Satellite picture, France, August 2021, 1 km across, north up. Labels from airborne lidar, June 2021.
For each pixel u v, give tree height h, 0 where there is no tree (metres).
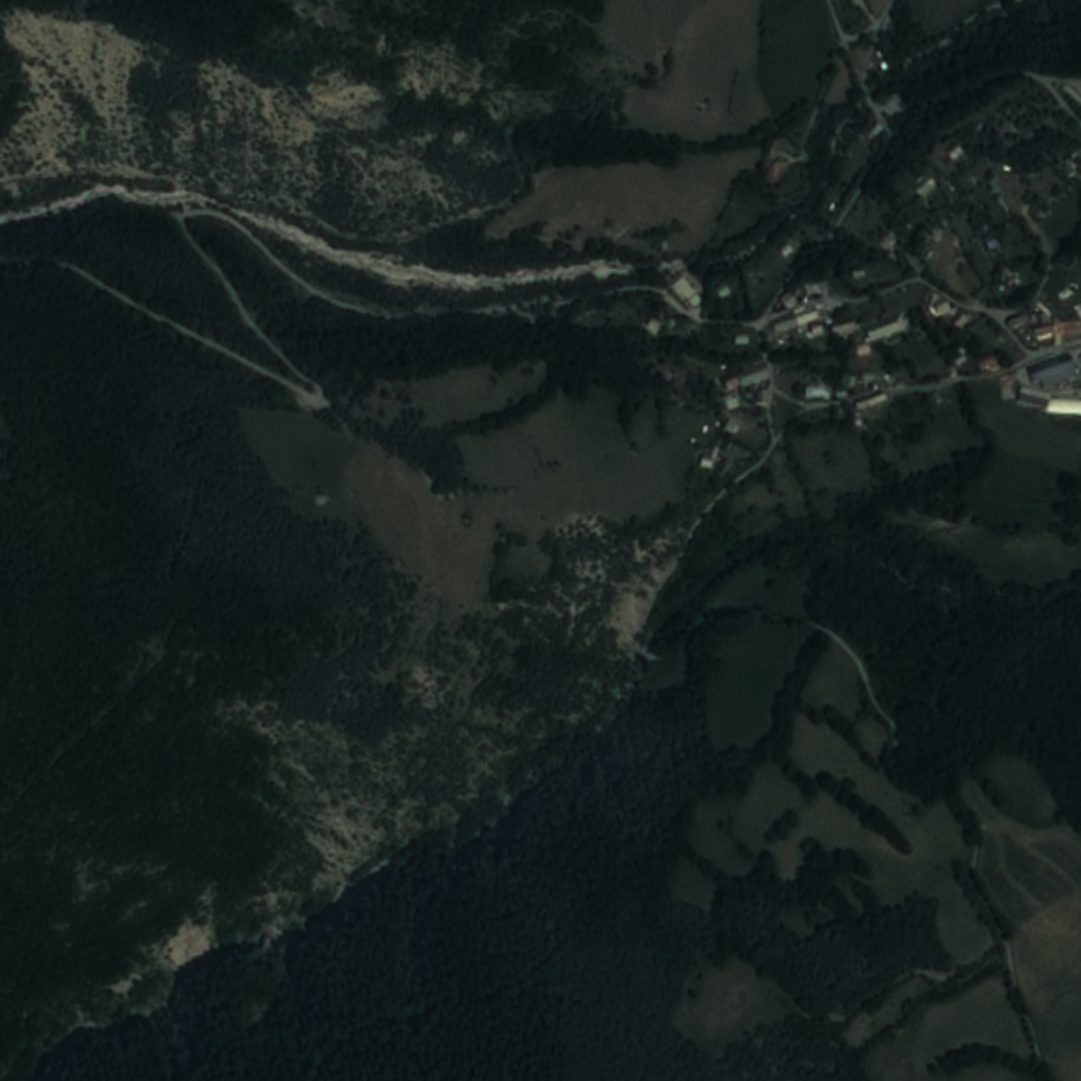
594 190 0
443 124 7
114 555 11
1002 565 0
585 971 14
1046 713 26
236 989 15
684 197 0
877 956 14
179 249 12
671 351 11
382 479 0
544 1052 18
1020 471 0
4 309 14
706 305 10
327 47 8
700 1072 15
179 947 0
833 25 0
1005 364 12
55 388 11
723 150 8
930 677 17
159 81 7
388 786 6
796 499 0
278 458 0
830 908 16
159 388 15
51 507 9
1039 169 8
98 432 18
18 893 10
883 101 8
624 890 22
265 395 7
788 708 14
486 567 0
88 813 8
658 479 0
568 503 0
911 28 9
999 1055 15
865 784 0
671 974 17
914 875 0
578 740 10
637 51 0
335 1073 18
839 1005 12
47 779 8
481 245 9
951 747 15
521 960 17
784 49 0
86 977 7
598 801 10
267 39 7
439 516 0
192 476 11
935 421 11
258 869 11
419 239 7
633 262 8
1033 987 0
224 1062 23
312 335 16
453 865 12
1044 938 0
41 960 12
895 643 14
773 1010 0
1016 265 7
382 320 12
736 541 8
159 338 17
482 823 8
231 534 14
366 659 9
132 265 16
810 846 12
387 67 12
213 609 15
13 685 9
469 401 0
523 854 14
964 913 0
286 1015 19
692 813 16
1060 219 0
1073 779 13
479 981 23
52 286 18
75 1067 25
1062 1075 0
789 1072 14
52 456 15
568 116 15
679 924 16
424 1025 14
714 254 12
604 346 14
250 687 9
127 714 8
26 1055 14
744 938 21
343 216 6
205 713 9
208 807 10
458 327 12
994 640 20
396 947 17
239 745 7
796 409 0
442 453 11
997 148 10
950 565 12
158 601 14
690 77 0
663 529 11
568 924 17
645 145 17
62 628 10
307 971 18
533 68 8
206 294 14
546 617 7
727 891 16
